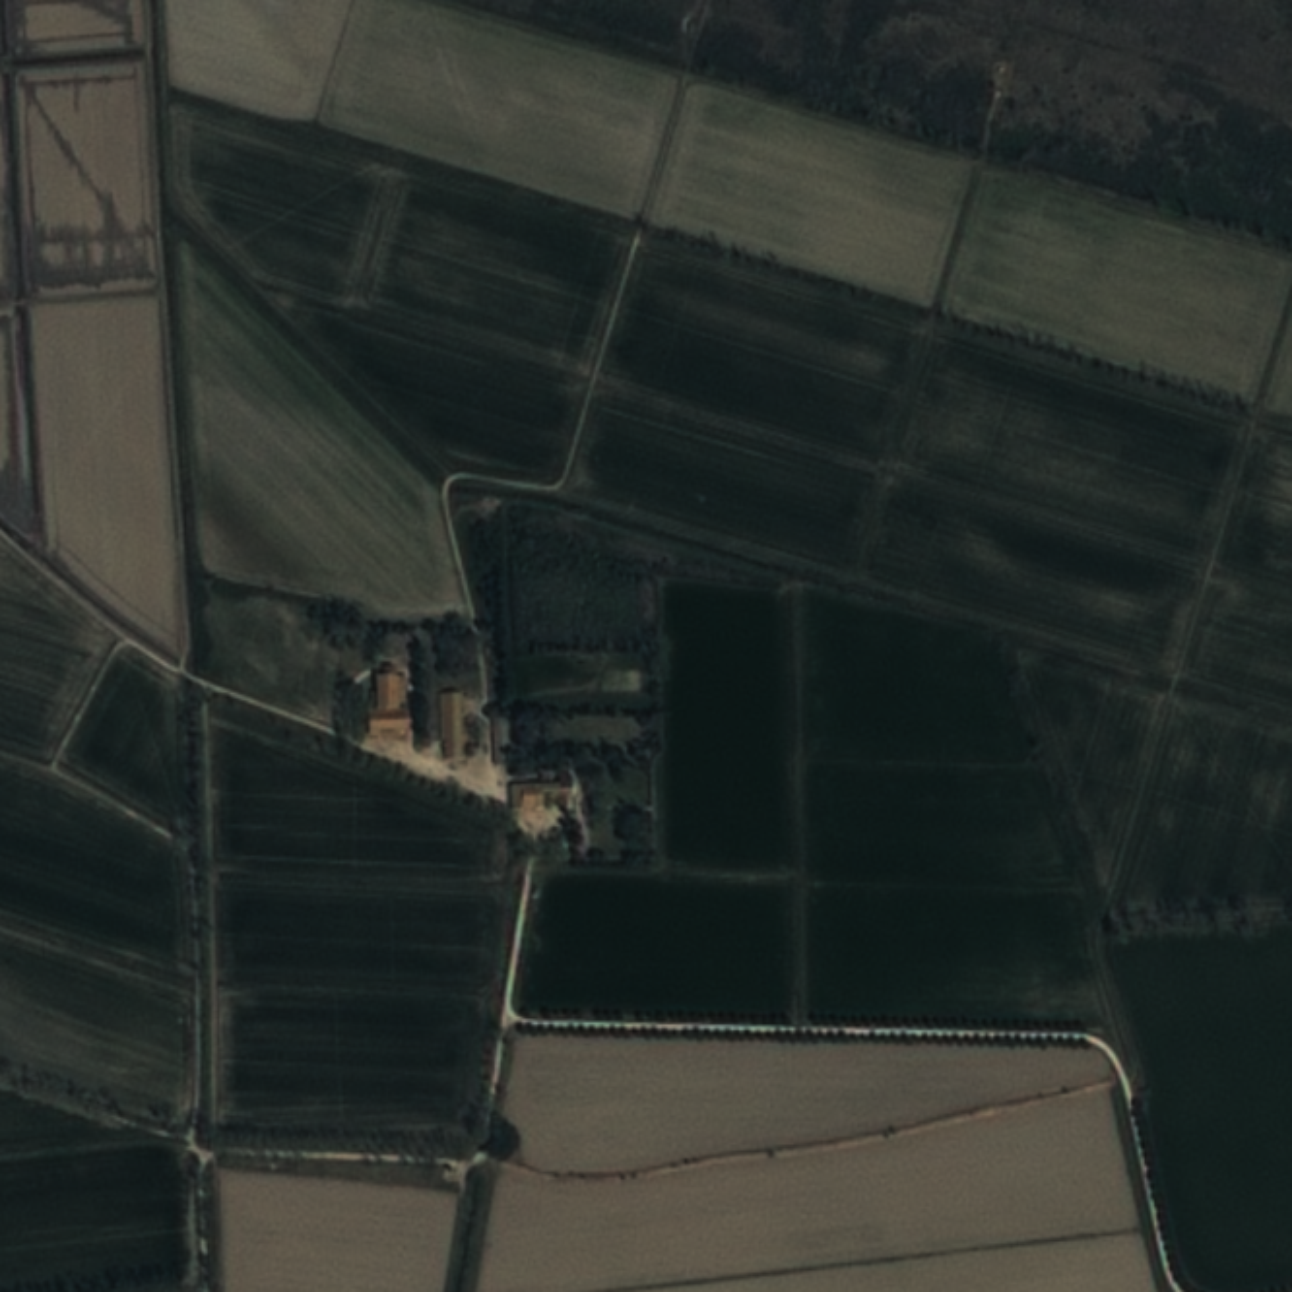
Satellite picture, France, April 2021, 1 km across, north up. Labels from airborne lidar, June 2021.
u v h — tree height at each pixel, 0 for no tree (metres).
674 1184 0
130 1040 0
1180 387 13
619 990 0
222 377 0
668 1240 0
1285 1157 0
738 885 0
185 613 0
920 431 0
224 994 0
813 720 0
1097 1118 0
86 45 0
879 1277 0
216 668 0
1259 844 0
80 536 0
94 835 0
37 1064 0
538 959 0
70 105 0
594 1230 0
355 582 0
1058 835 0
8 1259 0
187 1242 0
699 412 0
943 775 0
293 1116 0
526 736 20
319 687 0
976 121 6
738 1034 6
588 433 0
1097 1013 0
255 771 0
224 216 0
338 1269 0
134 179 0
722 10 0
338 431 0
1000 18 0
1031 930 0
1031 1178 0
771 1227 0
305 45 0
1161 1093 0
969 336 11
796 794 0
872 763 0
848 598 0
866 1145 0
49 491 0
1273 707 0
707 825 0
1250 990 0
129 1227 0
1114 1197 0
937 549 0
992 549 0
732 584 6
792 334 0
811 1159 0
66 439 0
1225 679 0
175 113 0
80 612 0
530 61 0
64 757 0
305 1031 0
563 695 0
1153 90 0
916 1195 0
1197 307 0
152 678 0
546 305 0
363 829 0
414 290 0
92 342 0
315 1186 0
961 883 0
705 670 0
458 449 0
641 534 0
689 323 0
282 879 0
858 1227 0
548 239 0
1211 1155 0
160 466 0
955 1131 0
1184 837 0
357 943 0
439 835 0
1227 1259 0
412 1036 0
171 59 0
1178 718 0
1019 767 0
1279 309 0
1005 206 0
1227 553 0
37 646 0
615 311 0
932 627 0
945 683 0
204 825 21
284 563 0
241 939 0
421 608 0
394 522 0
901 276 0
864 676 0
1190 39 0
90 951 0
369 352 0
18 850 0
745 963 0
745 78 8
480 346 0
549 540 9
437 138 0
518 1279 0
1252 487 0
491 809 14
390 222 0
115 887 0
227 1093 0
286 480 0
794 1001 0
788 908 0
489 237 0
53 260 0
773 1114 0
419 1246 0
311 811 0
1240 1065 0
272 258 0
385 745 0
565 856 13
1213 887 0
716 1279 0
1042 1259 0
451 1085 0
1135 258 0
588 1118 0
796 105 0
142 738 0
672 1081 0
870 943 0
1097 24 0
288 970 0
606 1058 0
